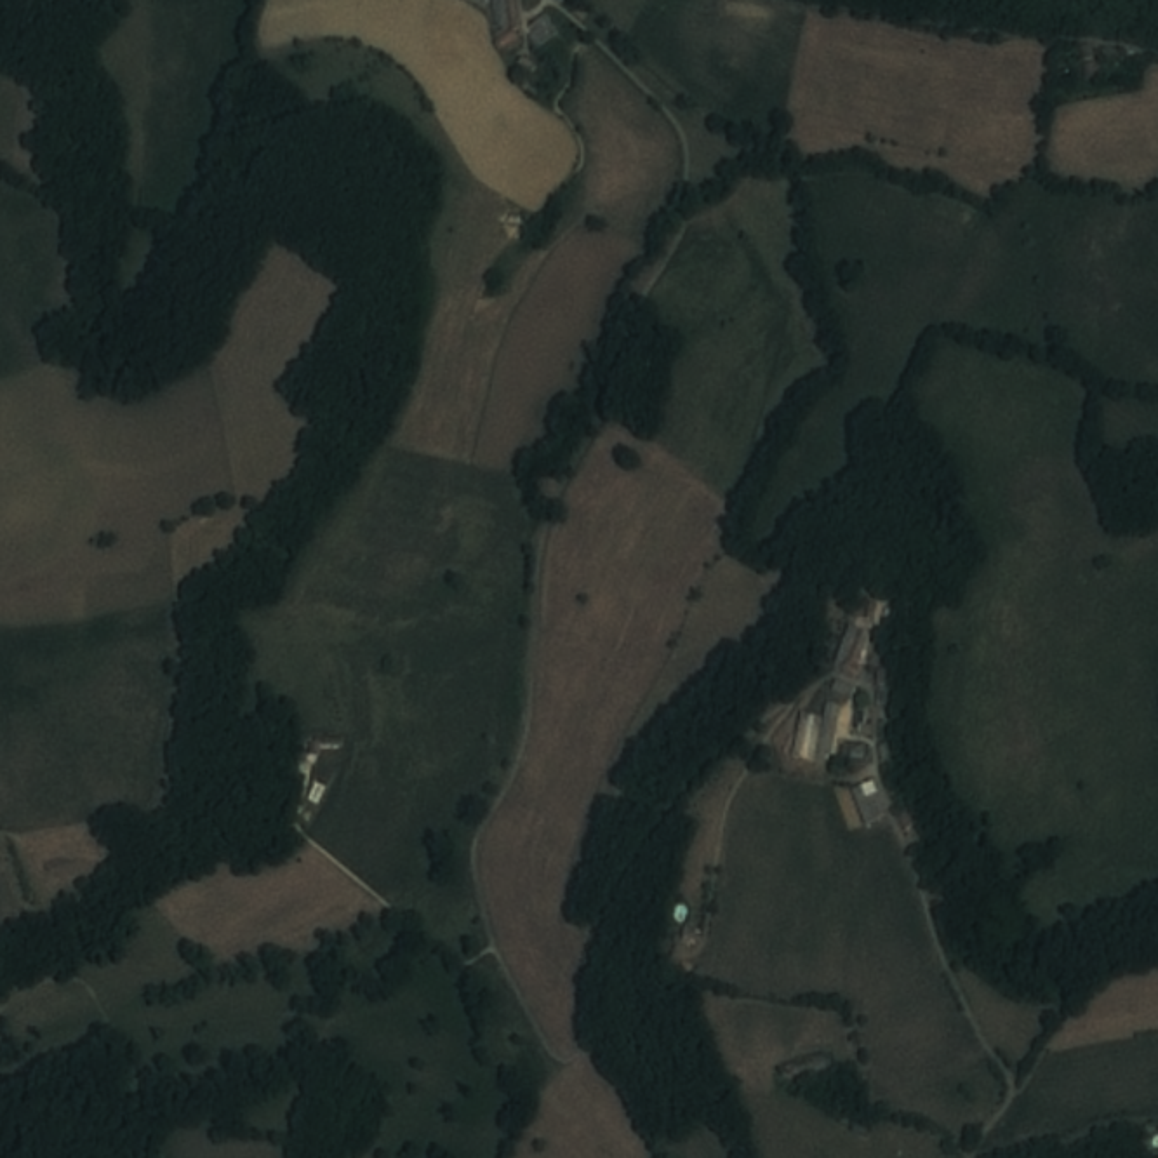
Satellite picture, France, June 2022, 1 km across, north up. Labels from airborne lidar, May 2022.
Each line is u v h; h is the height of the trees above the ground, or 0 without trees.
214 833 21
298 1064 19
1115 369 0
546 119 0
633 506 0
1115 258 0
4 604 0
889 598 16
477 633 0
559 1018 0
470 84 0
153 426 0
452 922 0
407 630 0
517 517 0
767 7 0
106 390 26
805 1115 0
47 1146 23
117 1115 27
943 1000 0
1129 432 0
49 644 0
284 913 0
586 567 0
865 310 0
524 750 0
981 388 0
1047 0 6
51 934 21
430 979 0
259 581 13
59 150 23
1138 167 0
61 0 22
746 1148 11
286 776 28
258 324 0
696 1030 20
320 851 0
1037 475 0
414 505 0
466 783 0
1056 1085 0
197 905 0
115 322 29
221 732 23
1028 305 0
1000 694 0
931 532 22
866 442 23
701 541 0
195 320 25
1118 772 0
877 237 0
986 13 14
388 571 0
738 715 21
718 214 0
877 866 0
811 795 0
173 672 17
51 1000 0
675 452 0
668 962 11
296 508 20
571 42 0
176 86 0
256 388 0
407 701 0
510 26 0
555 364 0
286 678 0
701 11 0
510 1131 18
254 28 15
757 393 0
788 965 0
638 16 0
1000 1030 0
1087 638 0
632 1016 15
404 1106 0
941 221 0
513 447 0
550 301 0
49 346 21
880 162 15
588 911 19
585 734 0
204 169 19
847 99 0
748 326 0
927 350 19
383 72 0
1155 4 12
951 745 0
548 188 0
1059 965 22
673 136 0
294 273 0
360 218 17
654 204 0
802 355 0
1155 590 0
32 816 0
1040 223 0
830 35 0
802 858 0
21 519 0
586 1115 0
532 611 0
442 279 0
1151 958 19
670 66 0
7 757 0
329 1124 14
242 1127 17
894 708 17
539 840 0
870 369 0
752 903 0
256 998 0
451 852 20
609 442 0
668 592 0
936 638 9
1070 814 0
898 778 11
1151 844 0
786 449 18
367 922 15
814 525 19
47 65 20
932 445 26
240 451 0
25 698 0
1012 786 0
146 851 16
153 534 0
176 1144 0
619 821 18
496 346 0
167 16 0
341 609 0
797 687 20
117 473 0
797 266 20
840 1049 0
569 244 0
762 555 22
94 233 23
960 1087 7
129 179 14
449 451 0
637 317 23
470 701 0
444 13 0
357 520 0
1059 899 0
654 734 16
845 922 0
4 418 0
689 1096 19
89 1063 28
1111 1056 0
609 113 0
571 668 0
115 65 0
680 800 17
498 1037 0
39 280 0
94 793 0
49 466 0
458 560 0
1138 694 0
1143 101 0
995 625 0
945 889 13
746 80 0
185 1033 0
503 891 0
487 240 0
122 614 0
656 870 16
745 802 0
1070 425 0
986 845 21
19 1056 21
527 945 0
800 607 20
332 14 0
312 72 0
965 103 0
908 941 0
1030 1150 19
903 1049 0
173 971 0
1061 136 0
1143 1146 9
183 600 14
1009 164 0
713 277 0
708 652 0
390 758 0
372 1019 0
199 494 0
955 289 0
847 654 0
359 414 20
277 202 17
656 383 25
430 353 0
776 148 24
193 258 23
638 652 0
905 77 0
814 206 22
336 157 15
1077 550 0
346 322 17
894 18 17
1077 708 0
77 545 0
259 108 10
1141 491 21
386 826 0
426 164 11
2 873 0
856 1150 0
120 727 0
